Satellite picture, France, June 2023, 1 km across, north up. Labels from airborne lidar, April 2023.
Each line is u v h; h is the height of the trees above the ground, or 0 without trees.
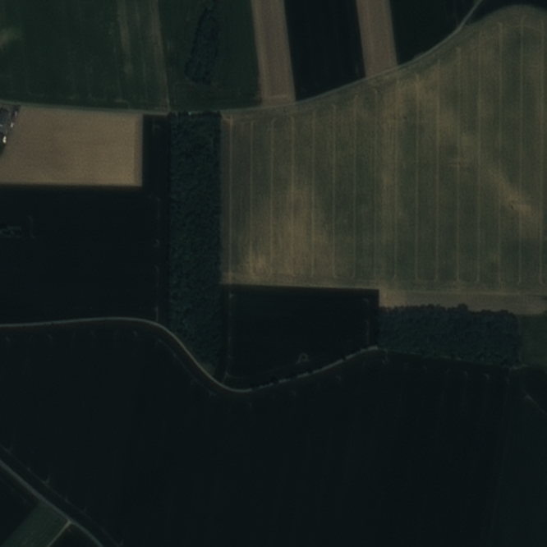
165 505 0
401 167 0
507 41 0
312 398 0
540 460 0
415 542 0
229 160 0
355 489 0
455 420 0
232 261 0
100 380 0
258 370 0
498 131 0
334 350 0
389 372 0
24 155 0
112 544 0
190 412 0
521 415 0
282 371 0
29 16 0
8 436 0
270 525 0
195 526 0
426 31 0
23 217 0
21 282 0
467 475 0
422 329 21
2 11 0
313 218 0
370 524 0
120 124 0
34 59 0
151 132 0
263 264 0
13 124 0
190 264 16
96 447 0
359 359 0
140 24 0
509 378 0
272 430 0
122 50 0
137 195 0
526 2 0
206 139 0
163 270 0
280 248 0
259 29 0
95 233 0
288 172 0
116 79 0
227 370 0
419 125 0
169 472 0
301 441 0
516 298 0
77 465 0
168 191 9
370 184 0
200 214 17
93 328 0
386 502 0
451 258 0
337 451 0
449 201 0
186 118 12
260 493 0
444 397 0
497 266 0
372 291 0
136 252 0
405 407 0
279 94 0
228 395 0
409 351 7
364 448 0
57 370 0
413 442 0
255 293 0
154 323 0
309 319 0
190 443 0
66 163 0
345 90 0
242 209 0
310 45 0
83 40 0
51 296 0
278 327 0
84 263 0
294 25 0
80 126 0
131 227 0
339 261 0
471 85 0
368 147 0
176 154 16
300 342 0
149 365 0
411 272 0
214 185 18
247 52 0
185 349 0
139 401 0
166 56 0
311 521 0
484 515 0
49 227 0
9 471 0
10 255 0
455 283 0
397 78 0
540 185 0
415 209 0
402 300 0
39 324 0
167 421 0
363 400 0
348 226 0
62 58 0
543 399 0
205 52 17
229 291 0
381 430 0
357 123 0
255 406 0
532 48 0
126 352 0
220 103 0
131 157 0
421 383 0
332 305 0
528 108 0
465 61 0
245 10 0
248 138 0
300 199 0
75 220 0
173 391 0
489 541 0
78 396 0
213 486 0
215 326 20
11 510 0
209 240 18
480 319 18
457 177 0
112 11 0
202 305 16
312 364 0
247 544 0
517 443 0
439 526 0
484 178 0
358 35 0
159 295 0
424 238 0
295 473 0
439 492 0
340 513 0
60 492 0
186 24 0
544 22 0
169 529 0
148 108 0
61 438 0
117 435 0
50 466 0
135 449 0
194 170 17
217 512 0
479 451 0
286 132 0
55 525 0
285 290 0
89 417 0
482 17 0
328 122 0
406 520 0
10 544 0
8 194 0
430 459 0
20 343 0
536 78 0
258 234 0
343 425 0
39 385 0
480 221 0
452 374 0
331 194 0
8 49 0
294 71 0
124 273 0
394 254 0
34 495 0
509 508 0
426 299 0
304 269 0
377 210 0
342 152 0
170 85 0
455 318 20
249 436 0
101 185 0
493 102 0
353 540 0
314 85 0
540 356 0
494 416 0
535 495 0
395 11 0
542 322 0
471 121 0
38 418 0
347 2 0
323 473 0
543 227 0
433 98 0
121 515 0
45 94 0
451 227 0
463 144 0
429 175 0
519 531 0
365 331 0
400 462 0
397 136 0
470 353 20
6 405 0
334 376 0
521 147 0
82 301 0
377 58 0
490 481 0
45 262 0
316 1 0
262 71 0
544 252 0
